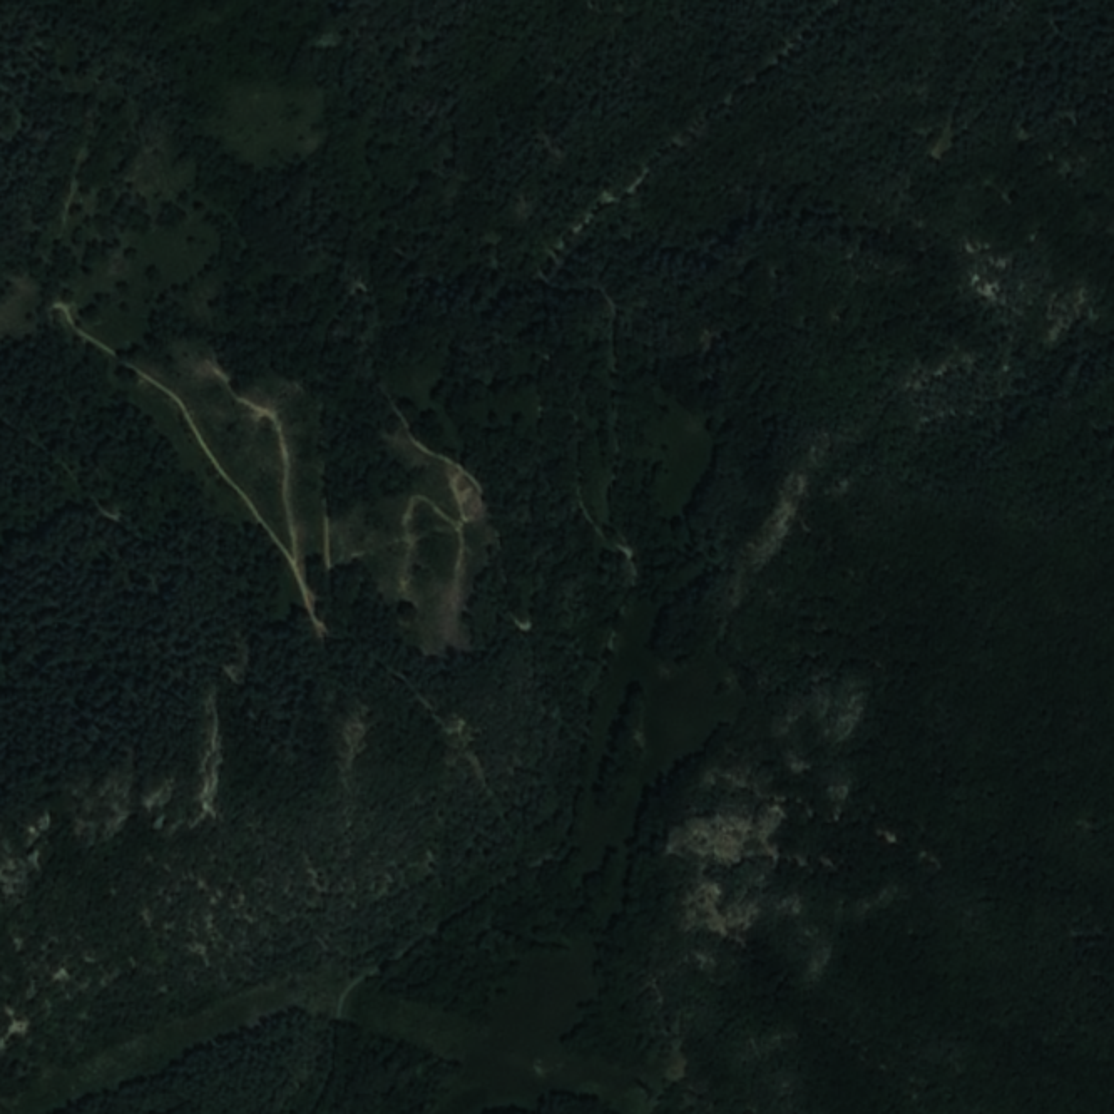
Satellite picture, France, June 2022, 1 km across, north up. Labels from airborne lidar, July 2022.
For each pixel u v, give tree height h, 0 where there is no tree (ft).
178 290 43
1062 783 63
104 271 0
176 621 87
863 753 69
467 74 74
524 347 60
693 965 34
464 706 45
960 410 42
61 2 46
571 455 46
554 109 53
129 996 32
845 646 61
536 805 61
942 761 67
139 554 97
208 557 84
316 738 61
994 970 55
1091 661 63
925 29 50
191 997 46
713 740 27
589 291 54
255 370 78
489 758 36
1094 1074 52
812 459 28
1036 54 102
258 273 64
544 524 76
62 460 31
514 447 47
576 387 62
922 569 42
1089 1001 81
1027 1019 74
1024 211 64
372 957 44
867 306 56
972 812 55
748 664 39
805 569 63
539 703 58
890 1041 49
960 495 65
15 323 0
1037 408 82
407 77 35
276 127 0
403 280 83
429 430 62
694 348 55
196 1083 79
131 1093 34
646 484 40
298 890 37
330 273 31
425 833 26
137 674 46
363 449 86
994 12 53
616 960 72
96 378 68
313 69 61
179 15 22
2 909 31
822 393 48
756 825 21
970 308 74
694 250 48
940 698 42
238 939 34
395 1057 66
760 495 77
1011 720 59
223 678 67
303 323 49
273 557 66
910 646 63
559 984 0
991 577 66
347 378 70
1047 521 35
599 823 0
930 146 54
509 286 69
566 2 66
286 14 43
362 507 59
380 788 55
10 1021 25
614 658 59
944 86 54
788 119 65
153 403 0
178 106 58
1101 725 52
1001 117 50
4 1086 56
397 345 54
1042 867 75
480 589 61
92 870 42
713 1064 58
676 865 17
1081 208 55
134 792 76
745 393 80
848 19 22
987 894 56
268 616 51
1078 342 64
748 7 82
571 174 53
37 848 61
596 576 77
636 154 62
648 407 65
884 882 61
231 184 43
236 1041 63
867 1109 56
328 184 48
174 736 70
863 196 57
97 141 22
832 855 74
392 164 41
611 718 0
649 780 0
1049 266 38
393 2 46
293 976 26
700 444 0
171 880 25
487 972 63
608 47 61
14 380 87
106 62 65
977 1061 56
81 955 31
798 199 92
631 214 63
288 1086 51
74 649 74
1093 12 52
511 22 75
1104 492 47
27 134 52
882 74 39
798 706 33
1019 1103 54
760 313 95
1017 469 56
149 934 36
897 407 54
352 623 50
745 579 27
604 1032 41
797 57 90
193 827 73
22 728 75
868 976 55
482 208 70
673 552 60
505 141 56
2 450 85
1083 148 61
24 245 67
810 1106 49
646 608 46
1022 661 65
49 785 75
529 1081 0
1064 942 59
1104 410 72
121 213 71
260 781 47
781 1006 77
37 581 82
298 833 33
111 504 43
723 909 37
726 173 34
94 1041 31
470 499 0
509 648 72
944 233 46
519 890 61
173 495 42
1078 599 74
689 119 56
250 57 20
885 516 59
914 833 66
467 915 56
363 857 34
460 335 60
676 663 46
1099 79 81
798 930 42
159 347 75
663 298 70
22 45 96
